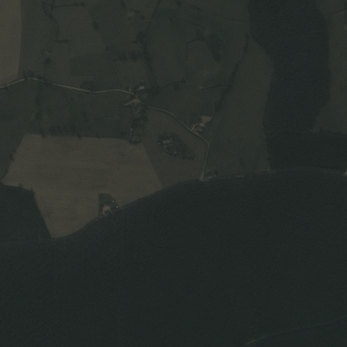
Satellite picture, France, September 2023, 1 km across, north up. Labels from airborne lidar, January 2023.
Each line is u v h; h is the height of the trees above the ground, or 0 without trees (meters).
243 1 0
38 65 0
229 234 15
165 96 0
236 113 0
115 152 0
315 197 15
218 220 16
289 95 19
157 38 0
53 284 17
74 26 0
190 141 0
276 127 14
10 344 17
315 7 11
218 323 15
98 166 0
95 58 0
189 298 16
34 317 19
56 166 0
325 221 18
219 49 17
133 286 15
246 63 0
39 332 19
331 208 12
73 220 0
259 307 16
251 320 19
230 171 0
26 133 0
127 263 17
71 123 0
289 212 13
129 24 0
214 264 14
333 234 14
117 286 14
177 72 0
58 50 0
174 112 0
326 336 18
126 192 0
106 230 22
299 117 16
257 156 0
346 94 0
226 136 0
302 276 20
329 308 22
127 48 0
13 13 0
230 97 0
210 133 0
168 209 21
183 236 16
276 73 13
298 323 14
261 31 16
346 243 15
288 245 15
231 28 0
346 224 13
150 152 0
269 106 10
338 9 0
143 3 0
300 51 19
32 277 19
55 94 0
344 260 16
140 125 0
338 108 0
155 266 12
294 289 20
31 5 0
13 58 0
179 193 19
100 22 0
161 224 21
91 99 0
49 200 0
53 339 18
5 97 0
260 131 0
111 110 0
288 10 16
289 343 16
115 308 10
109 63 0
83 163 0
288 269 18
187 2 0
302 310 19
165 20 0
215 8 0
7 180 0
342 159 6
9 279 23
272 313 17
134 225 23
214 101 0
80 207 0
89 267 20
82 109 0
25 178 0
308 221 13
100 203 0
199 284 16
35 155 0
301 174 14
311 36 15
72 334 20
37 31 0
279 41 16
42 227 0
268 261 15
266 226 14
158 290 14
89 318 17
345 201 14
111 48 0
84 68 0
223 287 18
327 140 7
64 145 0
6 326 19
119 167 0
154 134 0
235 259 16
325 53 16
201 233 16
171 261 17
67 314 19
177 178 0
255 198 19
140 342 13
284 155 7
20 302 22
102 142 0
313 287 20
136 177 0
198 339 17
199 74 0
